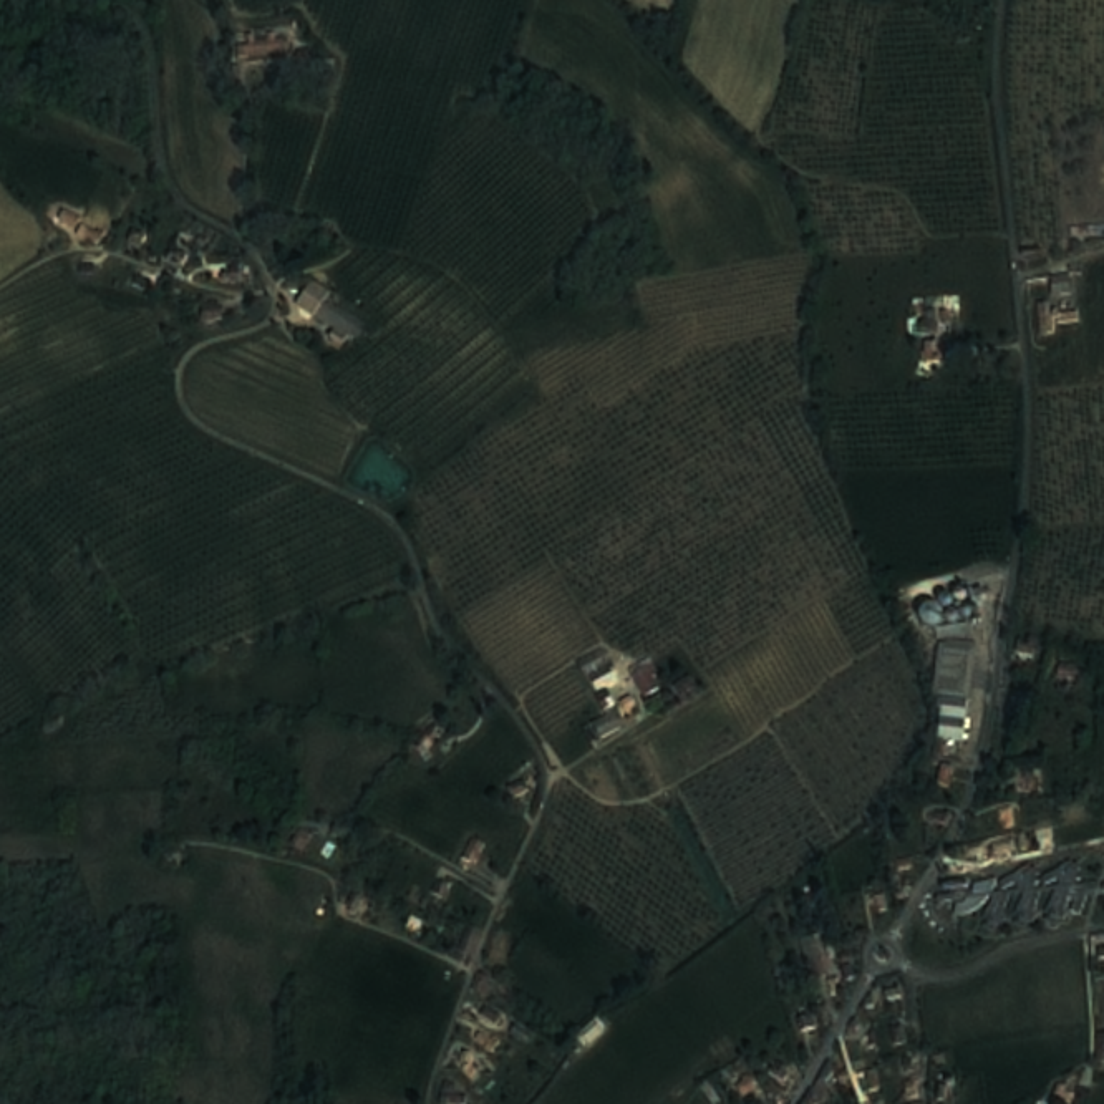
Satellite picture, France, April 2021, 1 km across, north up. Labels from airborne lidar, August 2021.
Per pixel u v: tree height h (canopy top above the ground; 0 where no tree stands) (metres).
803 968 10
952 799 13
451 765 0
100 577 14
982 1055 0
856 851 0
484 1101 0
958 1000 0
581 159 18
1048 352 0
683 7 16
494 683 0
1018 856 0
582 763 0
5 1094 13
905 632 10
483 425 6
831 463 17
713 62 0
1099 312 0
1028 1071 0
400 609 10
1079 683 15
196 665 13
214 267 0
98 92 19
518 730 0
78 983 29
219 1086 0
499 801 12
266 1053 0
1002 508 0
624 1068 0
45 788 0
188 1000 10
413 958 0
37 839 0
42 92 24
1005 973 0
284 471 0
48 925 16
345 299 5
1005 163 0
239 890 0
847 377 0
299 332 12
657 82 0
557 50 0
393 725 6
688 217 0
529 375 0
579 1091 0
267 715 14
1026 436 0
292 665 0
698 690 12
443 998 0
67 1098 12
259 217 18
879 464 6
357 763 0
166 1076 8
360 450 0
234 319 16
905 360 0
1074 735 9
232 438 0
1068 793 6
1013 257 0
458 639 12
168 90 0
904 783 13
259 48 0
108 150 0
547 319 0
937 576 0
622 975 0
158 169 20
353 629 0
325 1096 30
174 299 10
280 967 0
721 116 17
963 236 10
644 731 0
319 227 12
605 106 15
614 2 12
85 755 0
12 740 8
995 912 0
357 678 0
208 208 0
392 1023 0
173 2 0
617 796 0
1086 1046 0
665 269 15
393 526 0
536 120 17
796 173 11
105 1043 11
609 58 0
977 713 0
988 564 0
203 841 0
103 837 0
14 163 0
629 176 21
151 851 18
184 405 0
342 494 0
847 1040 0
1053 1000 0
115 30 6
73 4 21
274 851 8
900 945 0
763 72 0
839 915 7
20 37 25
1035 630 16
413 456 0
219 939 0
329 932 0
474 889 13
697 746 0
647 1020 0
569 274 20
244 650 13
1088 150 14
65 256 0
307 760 0
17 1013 13
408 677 0
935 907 0
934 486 0
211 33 0
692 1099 0
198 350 0
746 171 0
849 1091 6
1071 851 0
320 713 11
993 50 0
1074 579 6
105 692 15
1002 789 8
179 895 0
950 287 0
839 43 6
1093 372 0
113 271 0
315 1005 0
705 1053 0
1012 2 0
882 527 0
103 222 0
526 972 0
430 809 0
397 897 7
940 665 0
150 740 0
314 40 7
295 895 0
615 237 19
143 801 0
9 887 7
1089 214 0
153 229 12
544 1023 18
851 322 0
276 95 14
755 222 0
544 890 14
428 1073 0
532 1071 9
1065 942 0
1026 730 33
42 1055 20
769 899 16
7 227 0
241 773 7
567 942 0
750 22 0
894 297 0
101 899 0
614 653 0
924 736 14
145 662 0
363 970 0
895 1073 0
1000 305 0
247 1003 0
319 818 12
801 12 14
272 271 7
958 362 22
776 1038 11
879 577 12
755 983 0
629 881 6
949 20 6
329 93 22
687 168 0
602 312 0
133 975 16
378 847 18
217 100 18
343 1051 0
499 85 12
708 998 0
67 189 0
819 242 18
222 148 0
